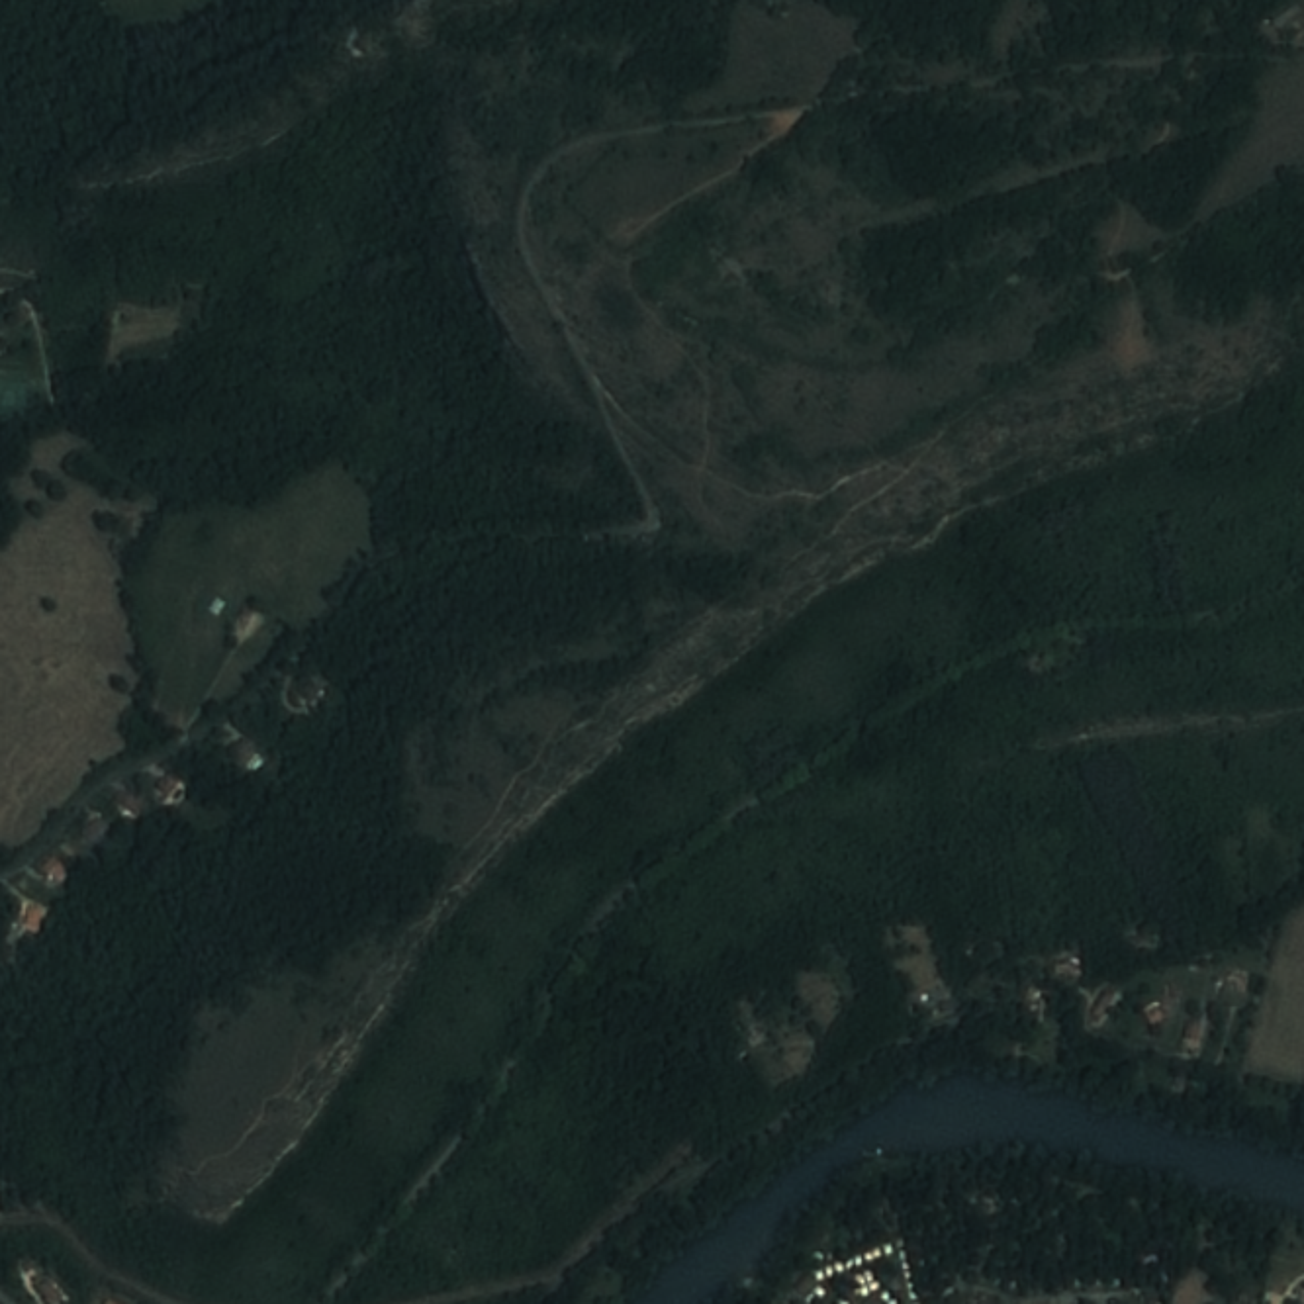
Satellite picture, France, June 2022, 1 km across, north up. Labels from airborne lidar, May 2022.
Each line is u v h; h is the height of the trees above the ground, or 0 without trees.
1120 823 18
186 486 17
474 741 0
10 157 9
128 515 0
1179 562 18
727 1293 17
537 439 13
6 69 7
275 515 0
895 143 11
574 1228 8
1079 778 6
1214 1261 19
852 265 5
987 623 11
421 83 11
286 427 16
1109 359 0
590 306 0
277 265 8
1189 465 10
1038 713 11
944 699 10
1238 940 11
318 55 9
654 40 6
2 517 26
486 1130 16
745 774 6
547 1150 8
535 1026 17
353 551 0
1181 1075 20
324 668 14
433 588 10
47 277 6
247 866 14
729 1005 19
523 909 6
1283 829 9
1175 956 14
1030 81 9
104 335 16
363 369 7
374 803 12
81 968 7
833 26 0
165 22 0
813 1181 0
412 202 20
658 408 0
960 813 7
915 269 6
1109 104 7
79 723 0
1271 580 8
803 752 16
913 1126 0
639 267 6
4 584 0
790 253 0
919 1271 17
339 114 12
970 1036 22
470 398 16
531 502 9
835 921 7
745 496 0
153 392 14
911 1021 13
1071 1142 0
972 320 7
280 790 14
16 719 0
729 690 7
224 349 8
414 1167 11
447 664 8
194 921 14
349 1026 6
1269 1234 12
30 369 0
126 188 7
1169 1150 0
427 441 6
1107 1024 0
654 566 6
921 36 10
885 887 10
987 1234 14
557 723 0
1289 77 0
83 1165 8
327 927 10
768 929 12
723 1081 15
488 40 8
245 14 20
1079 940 17
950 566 8
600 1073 17
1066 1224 17
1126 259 9
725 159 0
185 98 10
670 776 15
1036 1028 11
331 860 19
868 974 14
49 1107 7
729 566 9
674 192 0
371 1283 10
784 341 0
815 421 0
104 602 0
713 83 9
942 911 9
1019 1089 0
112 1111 15
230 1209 6
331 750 12
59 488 12
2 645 0
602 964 14
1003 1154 12
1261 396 12
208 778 17
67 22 7
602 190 0
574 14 10
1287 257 13
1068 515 21
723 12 8
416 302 13
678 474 0
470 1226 12
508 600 14
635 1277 18
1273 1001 0
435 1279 9
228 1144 0
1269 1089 15
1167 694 8
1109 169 9
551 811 10
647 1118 16
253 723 7
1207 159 13
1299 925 0
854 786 9
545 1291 17
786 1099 6
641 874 15
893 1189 13
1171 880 17
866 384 0
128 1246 12
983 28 7
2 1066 6
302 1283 8
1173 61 7
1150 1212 14
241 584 0
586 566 13
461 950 10
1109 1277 16
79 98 9
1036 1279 16
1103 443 7
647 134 0
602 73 7
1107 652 17
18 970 9
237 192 9
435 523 12
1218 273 11
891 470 0
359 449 6
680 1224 30
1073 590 12
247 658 0
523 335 0
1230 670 9
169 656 0
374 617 16
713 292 0
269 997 0
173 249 8
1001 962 12
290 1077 0
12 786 0
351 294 8
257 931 13
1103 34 6
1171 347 0
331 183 7
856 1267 9
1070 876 12
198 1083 0
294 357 8
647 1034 16
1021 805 10
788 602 6
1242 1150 0
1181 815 11
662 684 0
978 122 9
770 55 0
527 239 0
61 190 7
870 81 7
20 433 21
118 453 9
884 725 18
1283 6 10
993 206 11
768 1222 0
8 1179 9
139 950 8
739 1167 16
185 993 8
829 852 13
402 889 10
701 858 12
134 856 13
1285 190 9
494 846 16
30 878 0
